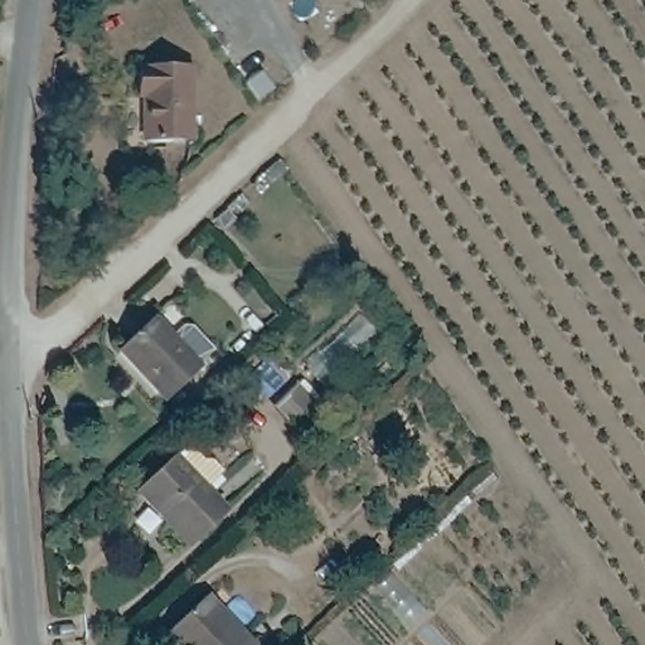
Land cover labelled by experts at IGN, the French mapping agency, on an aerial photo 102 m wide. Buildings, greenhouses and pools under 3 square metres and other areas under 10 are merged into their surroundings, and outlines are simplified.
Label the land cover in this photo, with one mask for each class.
<instances>
[{"label":"herbaceous vegetation","instance_id":"1","mask_svg":"<svg viewBox=\"0 0 645 645\"><path fill-rule=\"evenodd\" d=\"M68 0H40L30 63V86L38 88V103L33 106V164H48L45 141L50 136V126L58 121V103L71 101L81 86L91 83V78L86 76V58L81 45L71 43V38L58 35L53 28L55 13ZM204 5V0H123L103 8V30L111 40V55L126 58L128 50H144V60L151 63H189L191 58L202 63V71L197 76V98L189 106V113H194L197 123L202 126L209 139L219 134L222 126L237 113H244L247 121L242 128L234 126L227 141L212 149L194 169H186L181 174L179 186V199L191 194L207 176H212L254 128L265 123V118L275 111L277 103H272L270 108H254L242 98L239 88L229 81L224 66L217 63L214 53L209 50L207 40L214 33H209V28L199 18V8ZM277 13L290 43L302 48L310 58L320 55L323 60H333L348 48V43L335 38V23L345 13L363 8V0H267ZM499 8L509 15V20L519 28V33L527 38V43H532V50L537 53V60L527 63V55L496 23L486 0H461L466 13L479 23L499 58L504 60V68L509 71L504 81H499L494 66L481 53L474 35L454 15L451 0H423L416 8V13H411L393 35H388L360 66H355L350 76L335 83L310 108L305 123L292 136H287L285 144L270 159L252 169V174L244 181H239V186L232 189L207 217L212 224L227 234V239L244 254L247 262L267 277L277 295L292 297L290 307H302L305 312L317 307L323 300H330L325 290L328 285L333 290H340L358 282L365 275L373 277L378 285L388 282L396 297L403 302V307L413 315L428 350L433 353V360L428 363L433 378L441 388L451 393V401L456 411L466 418V426L476 436L486 438L494 461L491 474L486 476L464 499L456 501L454 509L438 522V527L426 539L416 542L406 554H401L393 562L391 572L380 582L370 585L353 602H348L345 610L330 617L328 625L315 635V645H622L620 635L610 625V617L600 607L602 597H610L612 605L620 610L625 625L637 637V645H645V60L635 55V48L627 43L625 30L612 23L610 10H605V0H496ZM428 23H436L443 30V35L451 38L454 48L479 81V88L489 93L494 103L489 113H484V106L471 96L469 86L461 83L459 71L441 53L438 40L428 33ZM380 66H388L391 73H396L398 86H403V91L416 106L413 113L403 111L391 86L385 83V76H380ZM524 101H529L544 118L552 134L547 144L532 126V118L522 113L519 103ZM340 108L350 116L353 126L370 144V151L385 169L388 176L383 181H375V171L365 164L363 154L355 149V141L338 134L335 121ZM499 116L506 121L511 134L527 146L532 164L544 176V181L557 191L559 202L572 212L577 227L585 232L590 242L585 252L569 237L567 227L557 219L547 199L537 191L534 181L527 176V169L517 161L514 151L504 146L501 136L494 128V118ZM312 134H323L330 149L335 151V159L345 164L348 176L343 181L338 171H333L325 164L320 149L312 144ZM239 212H254L260 222L257 237L247 239L237 229L234 222ZM408 262H413L421 272L426 290L461 325L466 340V348L461 353H456L454 338L448 335L446 325L431 310H426L423 300L416 295L408 277L403 275V265ZM564 494H572L574 501L582 509H587L597 529L595 537H587L585 522H579L577 514L562 504ZM522 559L532 562L539 574V585L529 595L522 592ZM494 585L511 590L509 610L504 612V617H496L494 610L486 605L489 590ZM615 5L630 20V25L645 45V0H615ZM242 68L252 76L262 71L275 83H287L292 88V73L275 50L247 53ZM13 58H0V149ZM83 149L93 154V166L103 171L98 176V184H103V189L96 191L91 204L78 214L73 244H78L81 249L88 247L91 224L101 222L103 217H123V209L116 204V197L126 174L136 169L166 174L176 171V161L169 156L164 159L151 146H131L128 151H116V141L106 136L103 128H91L83 136ZM38 257L33 244L25 252L28 297L35 302ZM181 297L174 305L179 307L181 317L194 320V330L207 343L217 345V353L214 363L209 365L202 380L184 385L179 393L164 401L156 423L146 428L126 448L111 441L103 443L98 459H106L108 464L101 479L88 481L83 494L68 504L71 511L88 501V496L96 489H108L113 471L126 466V461L139 446L161 436L171 421H194V408H222L224 401L204 398V388L222 378L227 370L242 368L244 360L254 363L262 373L260 403H272L282 401L300 380L315 383V378H320L330 360L348 355V350L353 348L348 345L350 335L358 333L368 320L360 305L350 307L333 330H328L317 343L305 348L300 355L292 353L295 335L287 333L285 335L282 350L277 355H254L257 343L267 338L272 330L270 305L254 290H244L242 295L252 315L260 317L262 328L254 330L249 343L237 353L224 350V345L239 340L242 323L229 307V302L219 292L209 290L202 282V277H197L194 282L184 280L179 285ZM73 365L71 353L66 348H55L48 353L45 370L35 378V396L38 413H48L55 403L50 391L55 380L53 375ZM118 365L116 358L106 355L93 365H83L86 380L68 398L66 408L63 421L53 418L58 446H63L71 443V428L91 426V421L101 418V408H108L113 398L123 396V391H111L108 385V368ZM403 431H408V436H416L426 448V464L418 479L411 484H401V479L385 474L378 459L380 454H391L393 448H398ZM358 464L348 469H330L325 479H305L307 504L312 506L315 517L323 522L325 529L317 532L307 544L285 552V557L300 567L302 577L287 579L272 567L234 569L232 592L237 600L249 602L254 612L270 610L272 592L285 595L282 610L270 620L272 630L262 632V645H305L302 630H297L290 640H280L277 627L282 617L297 615L305 625L323 605L330 602V595L323 587L325 572H338L343 564H358L363 554L388 547L391 537L398 534L401 524L413 511H423L428 504L421 494L428 486H448L454 479L464 474L461 466L448 461L446 448L436 443L433 428L413 423L408 408H398L396 413L378 421L373 436L363 438L360 433H353ZM345 484L373 486L383 489V496L396 509V514L391 517L388 529L370 527L363 506H343L340 501H335V491ZM252 423L237 436H232L224 448H212L207 456L224 466L229 464V461H234L237 456H239V454H242V451H244V448H252V451H254L249 431ZM20 451L40 645H96L88 620L96 615V610H118L128 597H144L169 574V569L161 567L141 582V577H118L106 567L103 552L113 549L118 542L136 544L144 552V562H154L156 557V552L149 547L141 532H156L161 522L156 511H149L151 499H146L141 491L128 511V519L136 527H118L106 532L103 539L91 537L83 544V595L71 592L66 597V610L53 617L48 610L45 592L43 544L38 501L40 466L38 426L20 428Z\"/></svg>","mask_w":645,"mask_h":645},{"label":"deciduous trees","instance_id":"2","mask_svg":"<svg viewBox=\"0 0 645 645\"><path fill-rule=\"evenodd\" d=\"M123 0H68L55 13L53 28L58 35L71 38V43L81 45L86 58V76L91 78V83L81 86L71 101L58 103V121L50 126V136L45 141L48 164H33V244L38 257L35 302V315L45 317V310L58 297L76 290L78 282L86 277H101L111 252L128 247L146 219L164 217L166 212L176 209L179 199V186L166 174L136 169L126 174L116 197V204L123 209V217H103L101 222L91 224L88 247L81 249L78 244H73L78 214L91 204L96 191L103 189V184H98V176L103 171L93 166V154L83 149V136L91 128H103L106 136L116 141V151H128L131 146L126 106L131 96H136V91H141V81L154 73L151 63L144 60V50H128L126 58L111 55V40L103 30V8ZM391 0H363V8L345 13L335 23V38L348 43L358 30L368 28L385 13ZM454 15L474 35L481 53L494 66L499 81H504L509 71L504 68V60L499 58L479 23L466 13L461 0H451ZM496 23L527 55V63L537 60V53L532 50V43H527V38L519 33V28L509 20V15L499 8L496 0H486ZM605 10H610L612 23L625 30L627 43L635 48V55L645 60V45L630 25V20L615 5V0H605ZM428 33L438 40L441 53L459 71L461 83L469 86L471 96L484 106V113H489L494 103L489 93L479 88V81L454 48L451 38L443 35V30L436 23H428ZM380 76H385V83L391 86L403 111L413 113L416 106L403 91V86H398L396 73H391L388 66H380ZM522 113L532 118V126L547 144L552 134L544 118L529 101H524L519 103ZM338 134L355 141V149L363 154L365 164L375 171V181H383L388 176L385 169L370 151V144L353 126L350 116L340 108L335 121ZM494 128L501 136L504 146L514 151L517 161L527 169V176L534 181L537 191L547 199L557 219L567 227L569 237L585 252L590 242L585 232L577 227L572 212L559 202L557 191L544 181V176L532 164L527 146L511 134L506 121L499 116L494 118ZM312 144L320 149L325 164L333 171H338L343 181L348 176L345 164L335 159V151L330 149L323 134H312ZM237 229L247 239L257 237L260 222L254 212H239L234 222ZM189 257L204 260L217 272H229L234 267L242 272L247 262L244 254L227 239V234L212 224L191 244ZM403 275L408 277L416 295L423 300L426 310H431L446 325L448 335L454 338L456 353H461L466 348V340L461 325L426 290L421 272L413 262H408L403 265ZM325 290L330 300H323L317 307L305 312L300 320L290 323L287 333L295 335L292 353L300 355L305 348L317 343L328 330H333L350 307L360 305L368 320L373 323L375 333L365 343L353 348L348 350V355L330 360L320 378L330 383L325 403L317 408L315 423L290 443V474L282 481H277V486L270 489L267 501L257 504L247 517L257 522V534L265 544L285 552L307 544L317 532L325 529L323 522L315 517L312 506L307 504L305 479H325L330 469H348L358 464L353 433H360L363 438L373 436L378 421L396 413L398 408H408L413 423L433 428H446V423L454 421V433H466L474 441V464L486 476L491 474L494 461L486 438L476 436L466 426V418L456 411L451 401V393L441 388L433 378L428 363L433 360V353L428 350L413 315L403 307V302L396 297L388 282L378 285L373 277L365 275L358 282L340 290H333L328 285ZM285 335L272 330L267 338L257 343L254 355H277L282 350ZM71 353L73 365L53 375L55 380L50 391L55 403L66 408L68 398L86 380L83 365H93L106 355L103 345L96 343L86 348L71 345L66 348ZM262 373L254 363L244 360L242 368L227 370L222 378L204 388V398L224 401L222 408H194V421H171L161 436L139 446L126 461V466L113 471L108 489H96L88 496V501L71 511L68 504L83 494L88 481L101 479L108 464L106 459H98L103 443L111 441L126 448L146 428L156 423L164 401L159 396H149L139 383L134 396H123L113 398L108 408H101V418L91 421V426L71 428V443L63 446L60 459H53L40 466L38 501L43 544L50 552H63L71 547V542L83 544L91 537L103 539L106 532L118 527H136L128 519V511L141 491V484L149 481L171 456H179L181 451L191 448L207 456L212 448H224L232 436H237L252 423L260 403ZM108 385L111 391H123L128 385V373L118 365L108 368ZM378 459L385 474L401 479V484H411L418 479L426 464V448L416 436H408V431H403L398 448H393L391 454H380ZM370 527L388 529L391 517L396 514V509L383 496V489L373 486L363 506ZM562 504L577 514L579 522H585L587 537H595L597 529L587 509H582L574 501L572 494H564ZM456 501L454 496H448L428 504L423 511H413L401 524L398 534L391 537L388 547L363 554L358 564H343L338 572H325L323 587L330 595V602H335V612L330 617L345 610L348 602H353L370 585L380 582L391 572L393 562L401 554H406L416 542L426 539L438 527V522L454 509ZM106 567L118 577H141V582L161 567V559L156 557L154 562H144V552L136 544L118 542L113 549L103 552ZM522 592L529 595L539 585V574L532 562L522 559ZM511 590L494 585L489 590L486 605L494 610L496 617H504V612L509 610ZM600 607L610 617V625L620 635L622 645H637V637L625 625L620 610L612 605L610 597H602ZM96 645H176L174 632L161 637L159 642L149 640V622L128 632L126 615L118 610H96V615L88 620Z\"/></svg>","mask_w":645,"mask_h":645},{"label":"pervious surface","instance_id":"3","mask_svg":"<svg viewBox=\"0 0 645 645\"><path fill-rule=\"evenodd\" d=\"M18 0H0V58H13ZM423 0H391L385 13L368 28L358 30L348 43V48L333 60H323L320 55L310 58L305 66H300V71L292 73V88L277 103L275 111L265 118V123L254 128L212 176H207L191 194L179 199L176 209L166 212L164 217L146 219L128 247L111 252L101 277H86L78 282L76 290L58 297L45 310V317L35 315V302L28 297L18 305L13 328H18L20 333L23 385L30 396H35V378L45 370L48 353L55 348H66L71 345V340L96 317L111 320V340H126L144 330L169 305H174L181 297L179 285L184 280L194 282L197 277H202V282L209 290L219 292L229 302V307L242 323L239 340L224 345V350L237 353L249 343L254 330L262 328L260 317L252 315L242 295L234 290V280L242 272L234 267L229 272H217L204 260L189 257L179 252V239L207 217L232 189L239 186V181H244L252 174V169L270 159L285 144L287 136H292L305 123L310 108L335 83L350 76L355 66H360L388 35H393L411 13H416V8ZM159 260L169 262V272L161 277V282L144 292L146 305L126 307L123 292ZM249 431L254 451V456L249 459V464H247L244 469H239V471H237L234 476H224V484L219 486L224 491L237 489L254 471H265L270 476L242 504V509L234 517H229L197 547V552H191L189 547H179L171 552L169 544L156 539V532H141L149 547L156 552V557L161 559V567L169 569V574L144 597H128L118 610L126 615L134 617L154 600H159L174 585L176 577L197 567L199 559L222 542V537L232 527H237L247 517L257 504L267 501L270 489L277 486V481H282L290 474V443L285 436V423L275 416L272 403H260L252 423ZM13 587L5 547V486L0 464V645H13ZM272 567L287 579L302 577L300 567L285 557V552L265 544L214 562L204 574H199L202 585L181 595L164 617L149 622V640L159 642L161 637L174 632V625L181 617H186L207 595L219 592V597L227 605L237 600L232 592L234 569Z\"/></svg>","mask_w":645,"mask_h":645},{"label":"impervious surface","instance_id":"4","mask_svg":"<svg viewBox=\"0 0 645 645\"><path fill-rule=\"evenodd\" d=\"M40 0H18L13 58L0 149V464L5 486V547L13 587V645H40L20 451V428L38 426V413L35 396H30L23 385L20 333L18 328H13L18 305L28 297L25 252L33 244V106L38 103V88L30 86V63ZM199 18L209 28V33H224L222 50L237 71L242 68L247 53L275 50L292 73L300 71V66H305L310 58L302 48L290 43L277 13L267 0H204V5L199 8ZM131 146H151L164 159L169 156L176 161L184 156V146L154 144V136H141L136 96H131L126 106ZM118 365L128 373V385L123 391V396H134L139 383L149 396H159V388L136 368V363L123 350L116 358Z\"/></svg>","mask_w":645,"mask_h":645},{"label":"building","instance_id":"5","mask_svg":"<svg viewBox=\"0 0 645 645\"><path fill-rule=\"evenodd\" d=\"M154 73L141 81V91H136V96L141 136H154V144L184 146L197 141V128L202 126L197 123L194 113H189V106L197 98V76L202 71V63L191 58L189 63H151ZM275 83L262 71L252 76L249 91L257 98L270 93ZM136 363V368L159 388V396L164 401L179 393L184 385L202 380L209 365L214 363L217 353V345L207 343L194 330V320L181 317L179 307L174 305H169L144 330L126 340L123 350ZM375 333L373 323L368 320L358 333L350 335L348 345L353 348L365 343ZM330 383L320 378H315V383L300 380L282 401L272 403L275 416L285 423V436L290 443L315 423L317 408L325 403ZM224 484V466L207 456L191 448L181 451L179 456H171L149 481L141 484V491L146 499H151L149 511H156L161 522L174 524L179 529V547H189L191 552H197V547L229 517L227 504L222 501L224 491L219 486ZM254 612L249 602L237 600L227 605L219 597V592L207 595L186 617H181L174 625V632L176 645H262V632H254L247 625Z\"/></svg>","mask_w":645,"mask_h":645},{"label":"brushwood","instance_id":"6","mask_svg":"<svg viewBox=\"0 0 645 645\"><path fill-rule=\"evenodd\" d=\"M209 50L214 53L217 63L224 66L229 81L239 88L242 98L254 108H270L272 103H277L292 88L287 83H275L270 93L257 98L249 91L252 76L242 68L237 71L222 50L224 33H214L207 40ZM247 121L244 113H237L222 126L219 134L209 139L202 126L197 128V141L184 146V156L176 161V171L166 174L179 186L181 174L186 169H194L212 149L227 141L234 126L242 128ZM212 224L207 217L179 239V252L189 257L191 244ZM169 272V262L159 260L123 292L126 307L146 305L144 292L161 282V277ZM234 290L242 295L244 290H254L270 305L272 330L285 335L287 333L290 323L300 320L305 312L302 307H290L292 297L277 295L267 277L247 262L242 272L234 280ZM111 320L96 317L71 340V345L86 348L96 343L103 345L106 355L116 358L123 350L126 340H111ZM53 418L63 421L66 408L55 403L48 413H38V426L40 466L53 459H60L63 446H58ZM436 443L446 448L448 461L461 466L464 474L454 479L448 486H428L421 494L428 504L448 496H454L456 501L464 499L486 476L474 464V441L466 433H454V421L446 423V428H433ZM254 456V451H252V448H244V451H242V454H239V456H237L234 461H229V464L224 466V476H234L237 471H239V469H244L247 464H249V459ZM270 476L265 471H254L237 489L224 491L222 501L227 504L229 517H234L242 509V504ZM373 486L345 484L335 491V501H340L343 506H363ZM265 544L257 534V522L247 517L237 527H232L222 537V542L199 559L197 567L176 577L174 585L159 600H154L134 617L126 615L128 632L149 622L164 617L181 595L202 585L199 574H204L214 562ZM179 529L174 524L161 522L156 532V539L169 544L171 552L179 547ZM83 544L71 542V547L63 552H50L43 544L45 592L48 610L53 617L66 610V597L71 592L83 595ZM285 595L272 592L270 610L254 612L247 625L254 632H262L272 630L270 620L282 610ZM335 612V602H330L323 605L305 625L297 615L282 617L277 627L280 640H290L297 630H302L305 645H315V635L328 625L330 617Z\"/></svg>","mask_w":645,"mask_h":645}]
</instances>
